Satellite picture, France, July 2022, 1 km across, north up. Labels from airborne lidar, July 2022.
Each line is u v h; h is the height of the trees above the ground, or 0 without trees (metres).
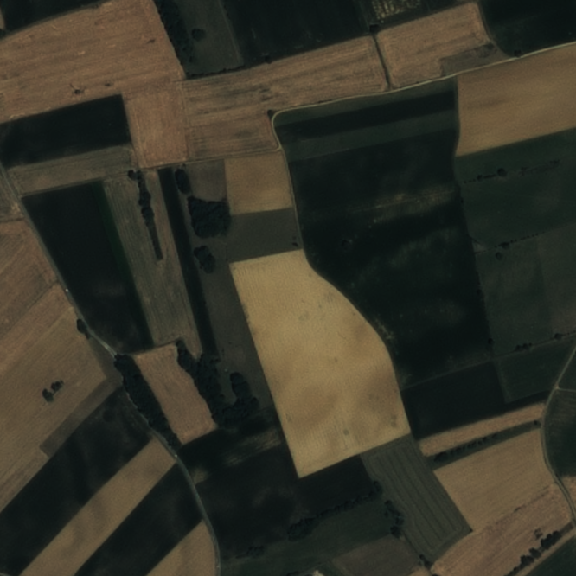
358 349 0
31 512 0
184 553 0
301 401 0
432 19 0
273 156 0
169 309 0
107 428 0
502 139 0
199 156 0
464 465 0
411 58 0
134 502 0
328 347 0
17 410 0
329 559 0
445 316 0
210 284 0
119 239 0
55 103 0
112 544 0
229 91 0
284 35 0
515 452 0
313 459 0
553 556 0
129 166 0
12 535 0
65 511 0
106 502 0
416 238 0
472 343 0
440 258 0
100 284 0
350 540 0
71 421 0
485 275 0
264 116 0
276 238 0
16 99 0
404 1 0
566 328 0
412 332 0
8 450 0
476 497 0
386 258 0
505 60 0
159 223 0
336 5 0
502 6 0
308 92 0
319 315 0
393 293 0
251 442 0
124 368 21
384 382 0
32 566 0
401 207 0
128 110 0
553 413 0
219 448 0
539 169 0
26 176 0
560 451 0
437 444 0
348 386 0
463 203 6
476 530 0
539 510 0
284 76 0
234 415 19
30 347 0
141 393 20
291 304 0
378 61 0
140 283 0
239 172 0
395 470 0
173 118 0
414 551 0
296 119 0
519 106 0
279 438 0
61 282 0
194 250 0
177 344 7
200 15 0
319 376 0
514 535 0
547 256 0
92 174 0
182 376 0
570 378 0
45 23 0
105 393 0
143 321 0
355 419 0
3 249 0
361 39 0
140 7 0
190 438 0
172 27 18
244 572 0
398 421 0
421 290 0
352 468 0
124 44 0
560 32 0
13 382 0
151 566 0
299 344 0
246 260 0
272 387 0
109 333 0
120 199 0
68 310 0
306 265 0
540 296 0
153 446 0
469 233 0
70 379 0
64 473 0
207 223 18
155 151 0
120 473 0
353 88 0
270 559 0
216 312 0
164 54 0
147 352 0
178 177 16
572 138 0
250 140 0
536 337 0
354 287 0
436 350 0
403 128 0
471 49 0
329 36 0
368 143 0
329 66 0
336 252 0
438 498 0
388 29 0
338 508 9
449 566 0
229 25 0
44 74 0
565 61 0
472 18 0
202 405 0
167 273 0
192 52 6
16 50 0
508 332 0
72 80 0
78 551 0
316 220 0
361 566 0
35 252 0
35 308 0
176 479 0
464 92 0
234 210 0
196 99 0
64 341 0
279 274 0
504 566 0
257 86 0
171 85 0
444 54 0
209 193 0
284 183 0
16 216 0
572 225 0
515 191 0
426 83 0
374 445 0
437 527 0
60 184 0
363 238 0
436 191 0
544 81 0
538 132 0
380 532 0
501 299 0
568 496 0
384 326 0
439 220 0
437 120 0
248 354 0
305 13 0
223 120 0
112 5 0
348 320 0
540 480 0
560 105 0
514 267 0
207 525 0
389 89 0
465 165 0
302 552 0
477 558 0
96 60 0
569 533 0
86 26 0
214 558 0
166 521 0
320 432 0
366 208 0
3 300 0
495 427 0
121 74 0
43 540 0
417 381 0
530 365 0
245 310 0
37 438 0
